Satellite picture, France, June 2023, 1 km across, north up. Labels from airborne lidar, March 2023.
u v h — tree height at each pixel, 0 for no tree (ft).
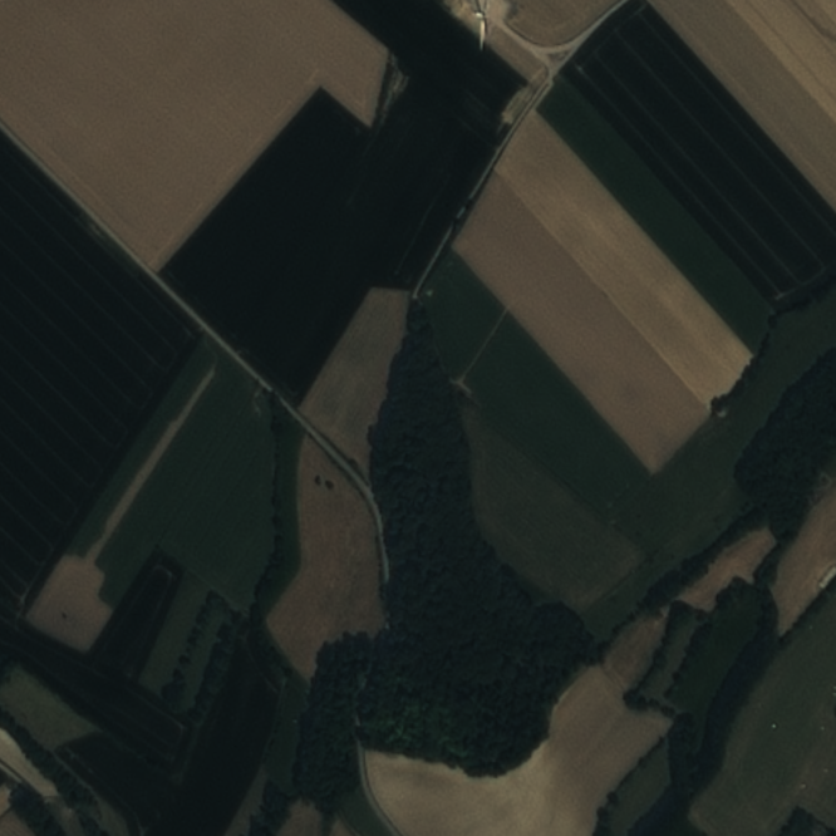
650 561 0
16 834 0
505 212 0
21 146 0
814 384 56
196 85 0
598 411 0
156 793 0
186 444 0
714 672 0
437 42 0
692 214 0
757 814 0
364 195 0
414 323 54
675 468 0
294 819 0
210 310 0
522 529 0
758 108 0
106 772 0
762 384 0
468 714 60
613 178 0
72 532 0
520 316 0
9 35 0
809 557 0
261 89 0
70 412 0
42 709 0
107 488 0
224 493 0
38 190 0
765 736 0
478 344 0
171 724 0
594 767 0
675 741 87
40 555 0
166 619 0
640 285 0
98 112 0
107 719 0
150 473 0
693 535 0
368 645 76
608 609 0
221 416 0
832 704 0
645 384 0
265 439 0
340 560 0
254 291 0
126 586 0
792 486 64
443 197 0
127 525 0
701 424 0
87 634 0
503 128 0
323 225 0
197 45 0
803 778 0
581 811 0
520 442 0
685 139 0
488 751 84
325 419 0
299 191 0
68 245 0
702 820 0
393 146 0
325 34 0
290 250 0
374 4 0
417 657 85
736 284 0
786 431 61
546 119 0
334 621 0
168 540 0
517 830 0
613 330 0
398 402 81
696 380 0
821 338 0
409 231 0
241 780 0
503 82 0
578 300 0
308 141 0
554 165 0
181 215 0
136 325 0
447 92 0
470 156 0
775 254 0
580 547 0
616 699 0
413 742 51
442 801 0
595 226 0
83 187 0
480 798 0
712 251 0
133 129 0
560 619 64
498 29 0
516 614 83
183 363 0
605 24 0
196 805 0
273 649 29
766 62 0
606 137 0
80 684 0
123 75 0
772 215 0
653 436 0
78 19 0
